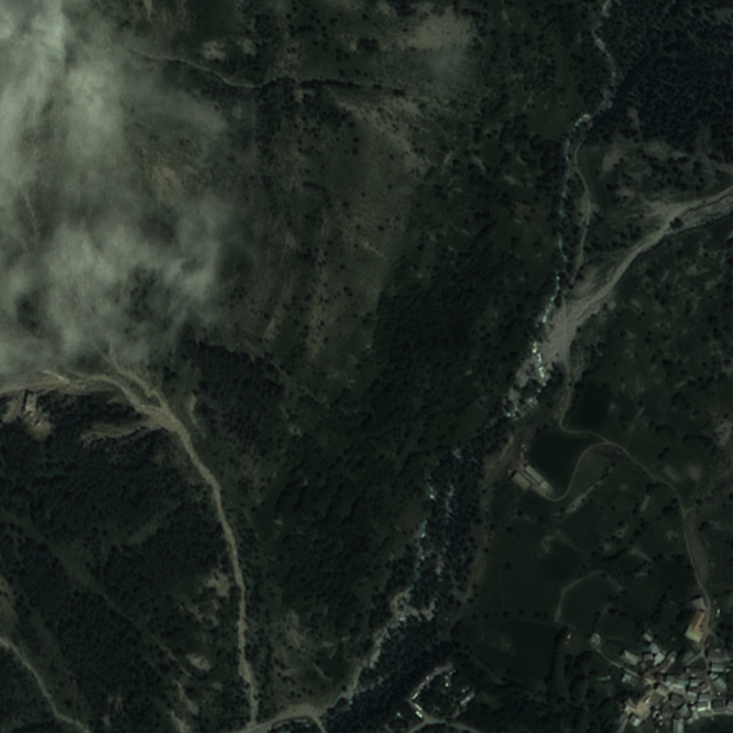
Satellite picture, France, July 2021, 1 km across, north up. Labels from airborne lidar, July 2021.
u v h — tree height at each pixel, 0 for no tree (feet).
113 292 0
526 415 0
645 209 0
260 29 50
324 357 0
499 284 32
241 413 44
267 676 20
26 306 49
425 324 33
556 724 53
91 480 110
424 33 0
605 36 30
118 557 90
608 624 0
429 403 34
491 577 0
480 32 25
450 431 36
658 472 0
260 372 99
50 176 0
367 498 35
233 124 66
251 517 0
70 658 59
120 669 106
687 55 64
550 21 46
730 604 0
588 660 37
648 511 0
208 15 0
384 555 0
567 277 44
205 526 71
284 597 21
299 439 29
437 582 53
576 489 0
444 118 28
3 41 0
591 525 0
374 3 22
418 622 49
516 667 0
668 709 0
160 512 30
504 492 0
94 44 0
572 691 49
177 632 39
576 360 0
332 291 0
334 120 18
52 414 28
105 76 0
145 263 68
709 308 0
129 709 66
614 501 0
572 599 0
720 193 0
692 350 0
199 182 0
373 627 58
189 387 0
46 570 77
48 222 0
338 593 45
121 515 68
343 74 46
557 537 0
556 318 0
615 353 0
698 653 0
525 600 0
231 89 46
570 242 38
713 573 0
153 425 0
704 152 0
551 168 21
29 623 50
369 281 0
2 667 70
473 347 29
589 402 0
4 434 91
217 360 102
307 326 41
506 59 0
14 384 0
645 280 0
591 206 0
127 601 100
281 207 31
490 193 39
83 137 0
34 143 0
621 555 27
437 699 38
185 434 0
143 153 0
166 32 0
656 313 0
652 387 0
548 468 0
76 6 0
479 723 46
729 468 0
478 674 52
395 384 33
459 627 30
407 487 41
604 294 0
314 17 58
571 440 0
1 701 53
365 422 49
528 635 0
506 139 52
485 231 35
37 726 82
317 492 41
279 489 0
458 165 46
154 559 95
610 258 0
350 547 44
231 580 21
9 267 0
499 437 48
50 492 95
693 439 27
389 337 43
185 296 78
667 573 0
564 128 0
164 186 0
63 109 0
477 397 31
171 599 45
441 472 31
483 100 29
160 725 43
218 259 0
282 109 30
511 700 40
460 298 52
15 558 41
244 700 31
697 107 23
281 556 25
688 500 0
